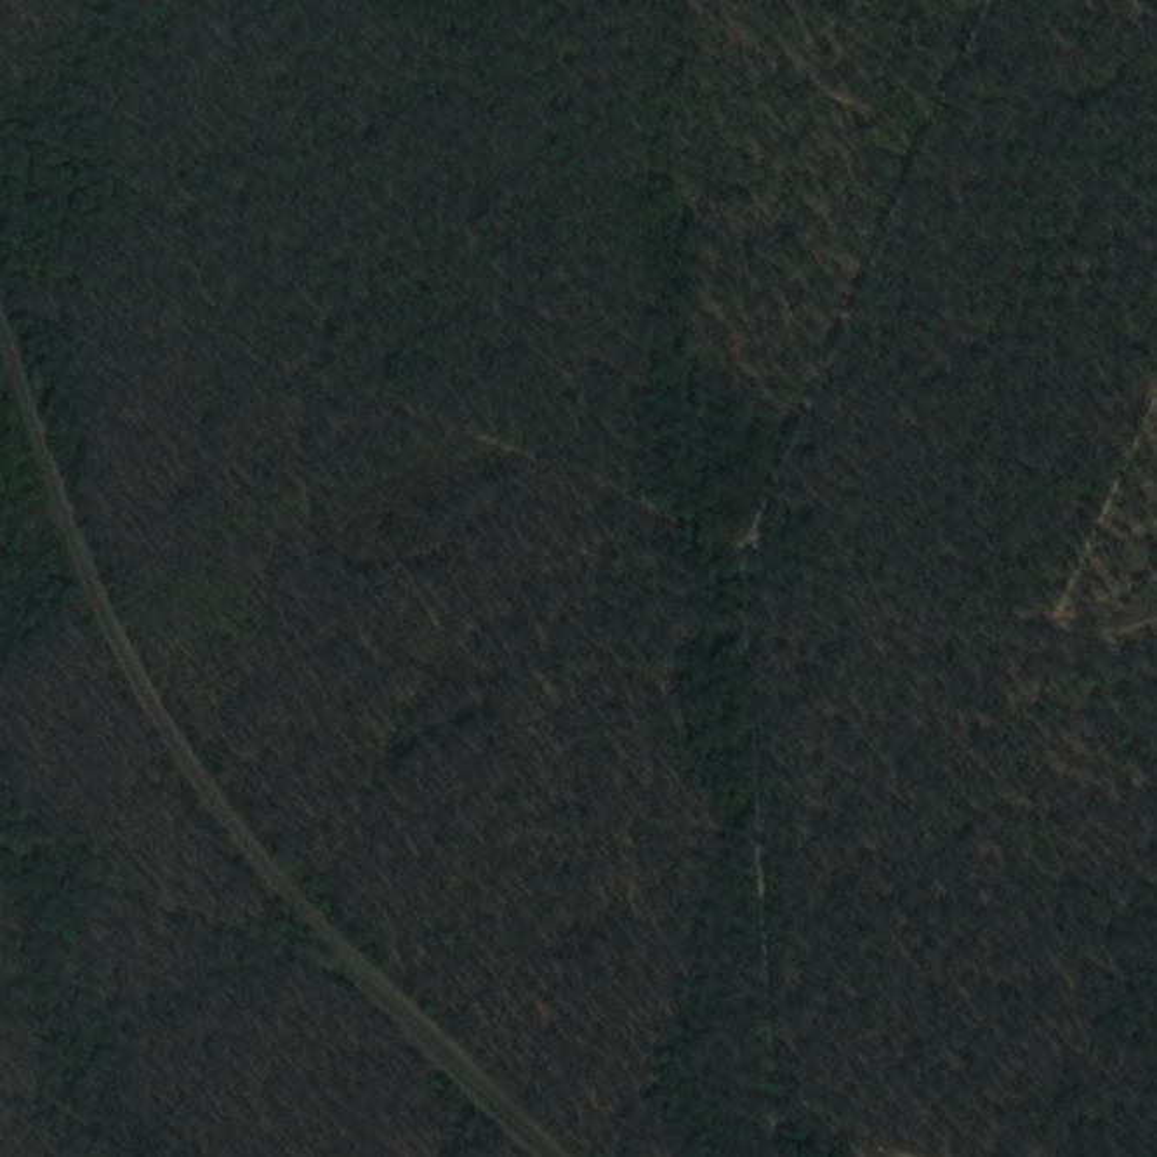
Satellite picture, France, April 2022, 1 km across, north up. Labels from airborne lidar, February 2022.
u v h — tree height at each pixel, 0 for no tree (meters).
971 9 27
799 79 28
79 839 23
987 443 27
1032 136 28
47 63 27
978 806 23
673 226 23
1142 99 28
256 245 26
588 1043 29
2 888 30
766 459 26
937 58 29
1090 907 30
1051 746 30
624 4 29
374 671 30
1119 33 30
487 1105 0
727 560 24
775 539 23
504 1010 30
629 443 31
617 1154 30
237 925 31
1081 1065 27
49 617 28
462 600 31
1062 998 29
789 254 28
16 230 26
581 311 27
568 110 28
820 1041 25
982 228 27
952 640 27
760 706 27
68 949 27
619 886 31
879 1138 29
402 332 28
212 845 29
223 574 27
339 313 29
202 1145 26
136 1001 28
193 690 23
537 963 30
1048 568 26
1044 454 28
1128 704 29
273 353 25
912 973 26
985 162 29
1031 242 28
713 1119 23
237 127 29
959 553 24
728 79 24
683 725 32
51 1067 25
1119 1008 27
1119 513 0
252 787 17
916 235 29
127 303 28
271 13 29
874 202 26
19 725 31
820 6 29
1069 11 30
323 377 24
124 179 32
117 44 26
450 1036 18
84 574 0
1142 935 31
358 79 29
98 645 31
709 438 24
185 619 24
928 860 24
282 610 28
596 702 28
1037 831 29
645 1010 0
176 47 30
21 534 25
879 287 28
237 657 26
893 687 26
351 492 29
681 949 34
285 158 30
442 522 30
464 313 28
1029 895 27
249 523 27
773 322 31
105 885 0
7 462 27
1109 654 27
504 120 31
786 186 30
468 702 23
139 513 28
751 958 29
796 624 29
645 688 30
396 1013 0
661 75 26
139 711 25
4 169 24
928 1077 28
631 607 30
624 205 31
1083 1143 26
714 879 28
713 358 33
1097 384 27
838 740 26
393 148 31
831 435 30
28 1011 27
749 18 29
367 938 27
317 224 27
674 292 25
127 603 22
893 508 29
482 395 29
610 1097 28
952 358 25
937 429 27
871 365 27
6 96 24
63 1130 25
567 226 30
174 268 28
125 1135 23
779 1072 24
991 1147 29
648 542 33
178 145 30
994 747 24
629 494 31
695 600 33
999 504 26
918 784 27
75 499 16
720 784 25
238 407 31
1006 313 30
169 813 28
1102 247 25
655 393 26
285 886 0
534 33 30
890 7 29
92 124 28
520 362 27
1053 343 28
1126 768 29
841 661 27
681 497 28
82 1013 25
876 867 26
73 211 20
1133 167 27
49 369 28
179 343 26
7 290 17
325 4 31
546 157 31
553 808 30
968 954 27
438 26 28
